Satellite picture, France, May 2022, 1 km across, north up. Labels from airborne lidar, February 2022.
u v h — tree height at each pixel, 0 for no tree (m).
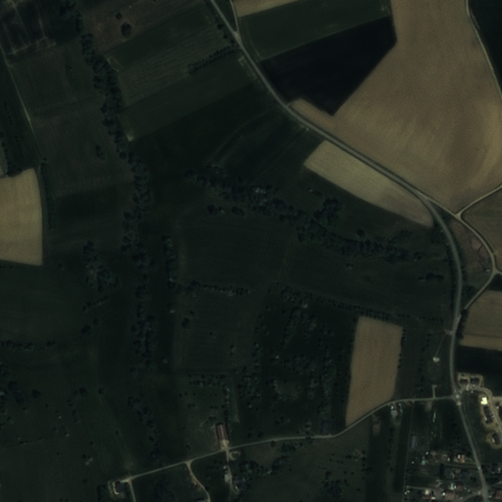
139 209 12
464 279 6
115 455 0
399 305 0
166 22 0
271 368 0
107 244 0
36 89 0
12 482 0
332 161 0
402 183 0
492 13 0
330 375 14
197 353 0
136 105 0
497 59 0
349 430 0
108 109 12
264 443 0
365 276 0
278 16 0
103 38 0
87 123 0
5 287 0
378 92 0
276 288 0
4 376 15
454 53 0
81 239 0
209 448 0
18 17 0
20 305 0
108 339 0
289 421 0
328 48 0
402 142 0
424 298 0
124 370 0
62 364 0
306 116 0
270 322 0
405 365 0
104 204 0
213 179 0
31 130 0
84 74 0
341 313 0
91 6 0
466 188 0
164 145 0
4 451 0
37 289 0
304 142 0
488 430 0
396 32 0
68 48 0
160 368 0
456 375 0
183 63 0
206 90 0
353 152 0
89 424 0
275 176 0
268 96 0
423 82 0
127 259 0
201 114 0
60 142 0
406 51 0
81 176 0
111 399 0
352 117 0
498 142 0
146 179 18
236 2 0
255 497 0
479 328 0
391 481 0
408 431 0
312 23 0
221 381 8
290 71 0
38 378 0
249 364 0
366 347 0
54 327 0
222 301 0
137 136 0
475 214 0
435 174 0
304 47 0
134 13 0
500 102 0
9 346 13
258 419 0
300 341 0
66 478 0
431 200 0
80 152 0
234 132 0
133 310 0
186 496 0
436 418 0
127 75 0
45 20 0
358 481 0
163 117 0
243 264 0
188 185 0
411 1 0
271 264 0
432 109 0
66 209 0
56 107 0
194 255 0
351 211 0
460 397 0
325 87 0
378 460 0
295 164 0
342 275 0
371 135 0
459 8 0
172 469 0
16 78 0
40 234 0
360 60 0
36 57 0
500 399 0
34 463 0
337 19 0
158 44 0
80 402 0
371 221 0
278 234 0
